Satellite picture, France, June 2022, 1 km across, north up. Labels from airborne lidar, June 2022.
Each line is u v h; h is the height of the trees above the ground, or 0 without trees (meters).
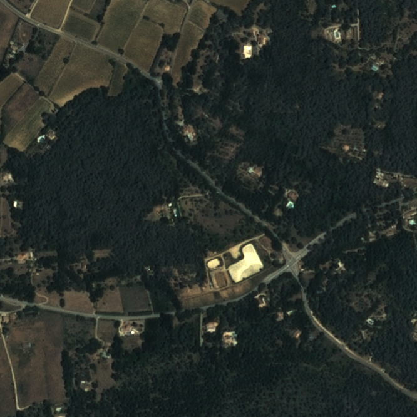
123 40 0
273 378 14
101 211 21
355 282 21
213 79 17
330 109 24
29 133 0
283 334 15
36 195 18
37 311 13
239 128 12
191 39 0
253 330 14
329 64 24
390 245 13
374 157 19
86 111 20
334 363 10
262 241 0
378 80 19
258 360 12
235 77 17
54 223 16
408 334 22
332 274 15
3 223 0
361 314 20
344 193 15
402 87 21
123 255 19
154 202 13
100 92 20
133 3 0
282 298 12
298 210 19
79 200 21
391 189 19
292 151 15
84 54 0
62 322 0
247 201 13
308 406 17
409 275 19
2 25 0
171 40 16
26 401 0
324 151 13
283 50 18
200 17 0
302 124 21
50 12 0
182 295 0
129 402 9
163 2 0
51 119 23
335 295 19
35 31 11
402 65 17
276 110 19
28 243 18
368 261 12
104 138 18
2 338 0
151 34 0
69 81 0
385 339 19
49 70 0
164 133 13
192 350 12
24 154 12
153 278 12
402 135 14
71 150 17
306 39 16
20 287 14
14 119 0
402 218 9
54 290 9
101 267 20
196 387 7
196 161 15
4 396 0
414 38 12
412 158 20
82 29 0
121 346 17
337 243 13
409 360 17
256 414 8
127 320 0
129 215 22
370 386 7
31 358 0
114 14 0
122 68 0
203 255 16
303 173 11
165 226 21
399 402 16
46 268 11
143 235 14
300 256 0
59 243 15
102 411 18
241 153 13
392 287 14
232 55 17
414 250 9
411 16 7
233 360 12
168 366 18
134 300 0
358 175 21
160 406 12
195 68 13
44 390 0
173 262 20
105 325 0
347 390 15
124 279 13
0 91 0
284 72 17
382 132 18
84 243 17
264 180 9
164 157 17
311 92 9
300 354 18
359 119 22
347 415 14
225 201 11
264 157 11
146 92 14
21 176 16
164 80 15
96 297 12
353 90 17
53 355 0
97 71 0
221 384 17
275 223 11
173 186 19
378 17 19
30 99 0
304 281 17
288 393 6
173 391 9
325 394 9
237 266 0
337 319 14
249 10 13
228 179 13
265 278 0
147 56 0
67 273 16
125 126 17
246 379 10
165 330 7
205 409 14
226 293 0
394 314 17
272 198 14
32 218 17
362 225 12
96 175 17
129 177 20
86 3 0
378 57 9
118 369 16
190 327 7
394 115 21
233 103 18
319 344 22
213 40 19
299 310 10
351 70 10
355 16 8
